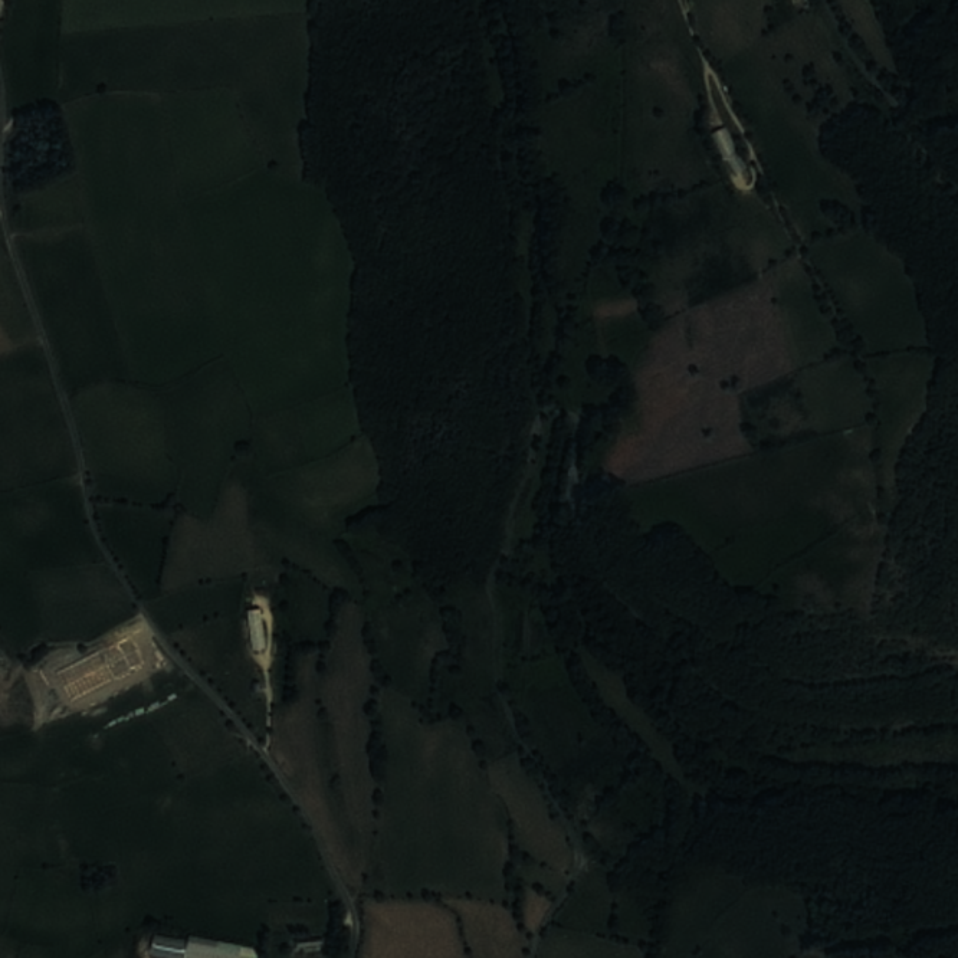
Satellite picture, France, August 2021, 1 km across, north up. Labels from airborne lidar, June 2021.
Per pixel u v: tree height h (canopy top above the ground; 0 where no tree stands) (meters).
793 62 8
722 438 0
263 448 0
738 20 0
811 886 7
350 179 16
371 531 17
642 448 0
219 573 0
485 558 17
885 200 21
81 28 0
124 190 0
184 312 0
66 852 0
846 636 12
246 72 0
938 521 16
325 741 0
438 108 19
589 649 19
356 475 0
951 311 22
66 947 0
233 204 0
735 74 0
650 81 0
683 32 0
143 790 0
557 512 20
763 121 0
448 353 16
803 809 26
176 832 0
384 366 19
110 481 0
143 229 0
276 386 0
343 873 0
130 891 0
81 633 0
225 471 0
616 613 14
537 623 0
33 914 0
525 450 6
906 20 0
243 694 0
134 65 0
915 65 21
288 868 0
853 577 0
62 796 0
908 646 12
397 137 17
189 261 0
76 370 0
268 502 0
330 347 0
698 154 0
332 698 0
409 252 16
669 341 0
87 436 0
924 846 21
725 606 30
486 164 18
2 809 0
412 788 0
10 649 0
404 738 0
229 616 0
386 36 21
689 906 0
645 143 0
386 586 0
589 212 0
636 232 12
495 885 0
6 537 0
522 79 27
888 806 26
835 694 21
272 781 9
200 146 0
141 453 0
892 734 13
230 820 0
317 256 0
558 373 11
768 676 24
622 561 30
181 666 0
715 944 0
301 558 0
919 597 15
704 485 0
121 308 0
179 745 0
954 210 21
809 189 0
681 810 22
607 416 18
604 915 0
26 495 0
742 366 0
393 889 0
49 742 0
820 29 0
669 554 25
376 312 19
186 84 0
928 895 19
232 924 0
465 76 20
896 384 0
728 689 23
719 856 21
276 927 0
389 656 0
